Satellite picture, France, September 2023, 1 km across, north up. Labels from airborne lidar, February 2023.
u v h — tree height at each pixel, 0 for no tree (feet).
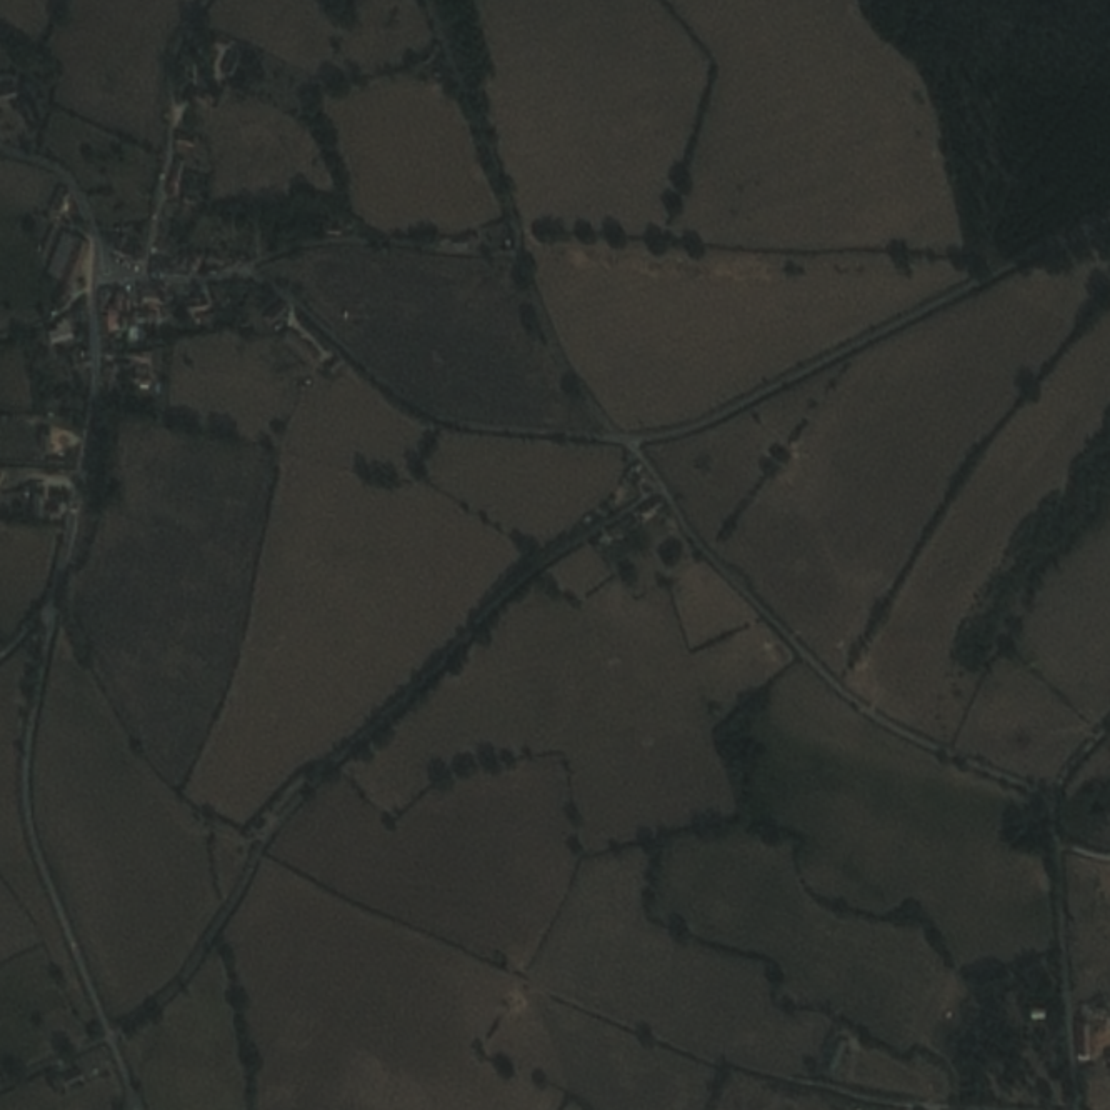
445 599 0
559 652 0
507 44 0
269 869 0
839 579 0
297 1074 0
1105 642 0
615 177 0
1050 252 66
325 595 0
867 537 0
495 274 0
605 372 0
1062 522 31
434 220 0
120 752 0
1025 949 0
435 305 0
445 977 0
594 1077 0
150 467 0
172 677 0
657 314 0
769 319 0
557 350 0
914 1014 0
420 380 0
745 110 0
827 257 0
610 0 0
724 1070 37
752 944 0
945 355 0
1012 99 0
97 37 0
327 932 0
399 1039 0
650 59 0
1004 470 0
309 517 0
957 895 0
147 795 0
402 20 0
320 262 0
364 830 0
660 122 0
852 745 0
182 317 50
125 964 0
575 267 0
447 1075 0
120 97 0
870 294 0
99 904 0
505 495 0
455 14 27
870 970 0
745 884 0
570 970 0
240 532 0
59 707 0
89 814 0
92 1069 0
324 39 0
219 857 0
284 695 0
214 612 0
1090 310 42
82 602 0
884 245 0
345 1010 0
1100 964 0
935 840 0
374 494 0
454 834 0
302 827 0
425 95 0
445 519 0
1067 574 0
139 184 0
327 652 0
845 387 0
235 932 0
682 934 58
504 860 0
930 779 0
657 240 52
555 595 51
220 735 0
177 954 0
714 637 0
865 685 0
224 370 0
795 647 0
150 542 0
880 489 0
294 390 0
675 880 0
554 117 0
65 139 0
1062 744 0
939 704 0
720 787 0
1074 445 0
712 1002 0
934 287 0
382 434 0
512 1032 0
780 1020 0
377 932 0
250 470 0
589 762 0
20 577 0
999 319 0
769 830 39
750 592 0
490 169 54
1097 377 0
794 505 0
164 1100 0
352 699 0
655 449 0
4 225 0
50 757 0
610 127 0
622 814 0
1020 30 68
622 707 0
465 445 0
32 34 0
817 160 0
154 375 0
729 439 0
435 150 0
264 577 0
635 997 0
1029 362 0
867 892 0
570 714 0
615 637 0
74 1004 0
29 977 0
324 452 0
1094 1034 0
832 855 0
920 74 39
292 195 21
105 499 61
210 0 0
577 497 0
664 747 0
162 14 0
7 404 0
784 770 0
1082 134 20
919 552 20
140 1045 0
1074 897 0
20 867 0
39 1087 0
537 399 0
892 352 0
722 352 0
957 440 0
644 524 0
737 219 0
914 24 57
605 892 0
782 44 0
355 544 0
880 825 0
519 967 0
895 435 0
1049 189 23
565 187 0
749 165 0
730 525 24
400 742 0
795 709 0
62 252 0
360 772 0
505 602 38
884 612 37
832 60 0
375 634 0
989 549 0
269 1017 0
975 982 44
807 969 0
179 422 42
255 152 0
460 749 0
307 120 38
